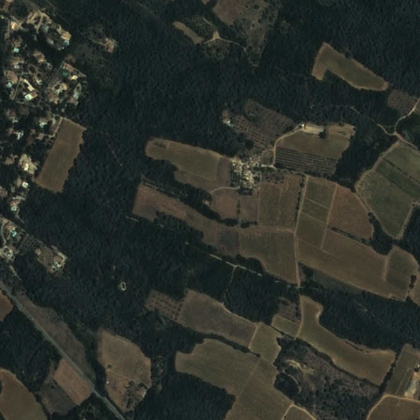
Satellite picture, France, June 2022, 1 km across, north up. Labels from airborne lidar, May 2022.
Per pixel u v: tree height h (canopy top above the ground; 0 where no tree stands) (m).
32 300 15
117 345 0
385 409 0
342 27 14
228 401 11
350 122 17
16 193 7
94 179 9
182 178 0
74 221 16
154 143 0
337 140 0
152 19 9
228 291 7
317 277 0
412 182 0
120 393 0
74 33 17
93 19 7
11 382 0
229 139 25
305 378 0
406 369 0
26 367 7
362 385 11
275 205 0
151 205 0
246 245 0
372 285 0
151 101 17
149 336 8
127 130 20
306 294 6
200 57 8
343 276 0
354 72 0
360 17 17
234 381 0
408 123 7
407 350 0
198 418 15
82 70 8
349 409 20
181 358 0
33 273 16
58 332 0
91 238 20
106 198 10
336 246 0
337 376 0
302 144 0
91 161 14
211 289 6
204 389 18
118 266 22
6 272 15
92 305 8
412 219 7
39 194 19
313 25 13
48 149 10
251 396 0
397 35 14
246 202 0
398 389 0
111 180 18
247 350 11
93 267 11
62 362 0
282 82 17
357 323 9
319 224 0
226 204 0
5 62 18
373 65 18
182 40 8
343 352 0
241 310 18
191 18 10
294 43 9
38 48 11
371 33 15
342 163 7
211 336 8
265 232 0
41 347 8
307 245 0
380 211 0
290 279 0
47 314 0
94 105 17
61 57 15
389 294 0
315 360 0
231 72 18
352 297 19
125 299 8
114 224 8
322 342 0
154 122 9
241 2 0
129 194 12
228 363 0
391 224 0
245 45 10
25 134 10
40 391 10
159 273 22
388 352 0
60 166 0
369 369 0
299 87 20
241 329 0
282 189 0
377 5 18
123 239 18
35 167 0
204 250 11
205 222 0
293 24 16
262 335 0
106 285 9
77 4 7
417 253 18
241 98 22
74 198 7
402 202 0
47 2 7
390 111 14
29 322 12
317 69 0
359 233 0
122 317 10
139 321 9
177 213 0
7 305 0
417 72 17
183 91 19
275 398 0
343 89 17
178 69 22
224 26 8
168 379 13
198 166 0
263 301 11
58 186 0
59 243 19
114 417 11
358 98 7
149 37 17
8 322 16
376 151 9
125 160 16
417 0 21
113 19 6
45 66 12
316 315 0
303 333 0
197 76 20
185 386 9
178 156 0
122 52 8
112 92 7
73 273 9
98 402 13
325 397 18
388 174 0
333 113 19
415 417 0
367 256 0
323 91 15
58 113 8
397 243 7
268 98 13
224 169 0
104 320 15
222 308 0
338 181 7
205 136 9
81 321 7
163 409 8
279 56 12
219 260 7
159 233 12
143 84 10
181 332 8
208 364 0
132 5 7
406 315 15
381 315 17
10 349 20
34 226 14
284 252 0
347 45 12
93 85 11
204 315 0
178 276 10
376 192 0
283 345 18
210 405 18
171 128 12
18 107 11
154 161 10
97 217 19
